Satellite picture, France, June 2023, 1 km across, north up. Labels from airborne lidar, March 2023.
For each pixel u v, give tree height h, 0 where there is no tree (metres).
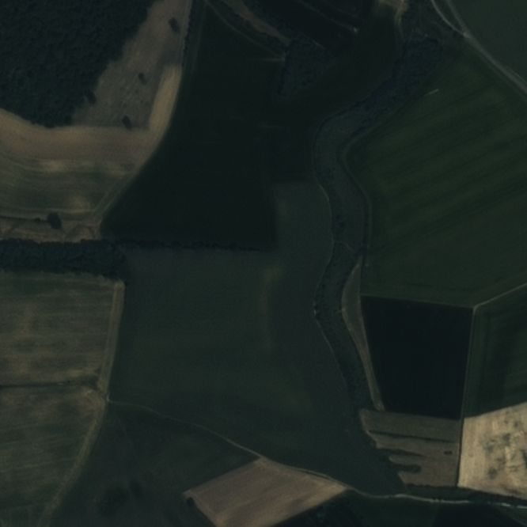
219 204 0
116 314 0
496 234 0
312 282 0
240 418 0
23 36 24
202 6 0
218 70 0
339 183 0
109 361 0
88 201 0
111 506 0
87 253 17
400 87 14
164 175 0
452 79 0
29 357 0
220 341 0
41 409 0
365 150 0
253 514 0
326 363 0
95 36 21
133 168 0
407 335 0
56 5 18
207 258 0
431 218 0
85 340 0
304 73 11
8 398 0
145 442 0
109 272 13
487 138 0
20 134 0
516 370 0
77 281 0
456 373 0
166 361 0
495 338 0
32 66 13
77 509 0
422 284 0
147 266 0
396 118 0
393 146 0
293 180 0
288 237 0
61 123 7
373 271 0
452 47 0
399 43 0
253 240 0
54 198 0
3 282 0
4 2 23
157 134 0
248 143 0
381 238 0
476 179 0
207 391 0
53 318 0
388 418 0
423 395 0
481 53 0
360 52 0
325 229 0
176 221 0
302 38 9
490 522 0
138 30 0
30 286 0
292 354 0
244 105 0
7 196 0
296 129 0
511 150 0
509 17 0
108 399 0
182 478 0
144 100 0
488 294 0
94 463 0
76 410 0
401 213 0
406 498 0
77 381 0
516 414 0
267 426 0
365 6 0
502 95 0
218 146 0
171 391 0
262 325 0
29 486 0
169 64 0
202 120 0
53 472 0
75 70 15
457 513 0
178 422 0
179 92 0
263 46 0
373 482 0
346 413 0
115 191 0
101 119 0
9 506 0
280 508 0
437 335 0
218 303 0
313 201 0
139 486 0
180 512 0
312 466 0
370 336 0
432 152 0
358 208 0
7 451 0
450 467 0
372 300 0
